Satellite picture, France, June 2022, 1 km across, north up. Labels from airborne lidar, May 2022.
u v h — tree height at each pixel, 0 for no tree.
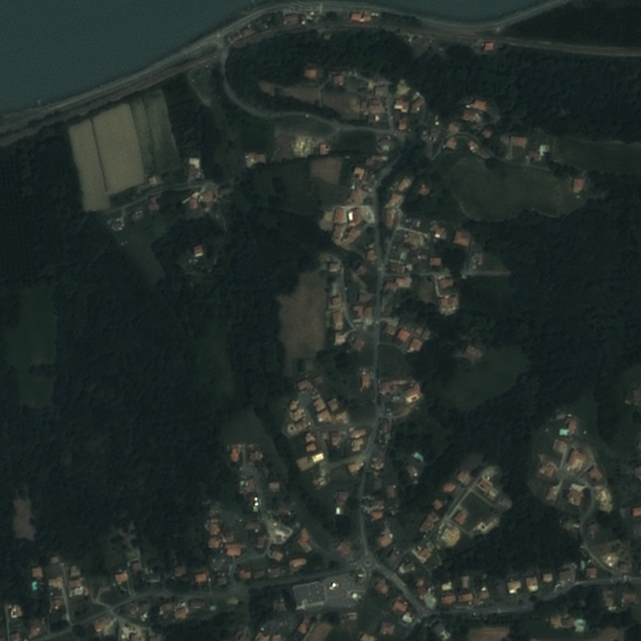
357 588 0
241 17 0
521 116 19
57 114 12
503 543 25
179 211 10
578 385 24
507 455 28
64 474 17
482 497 0
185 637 10
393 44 16
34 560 16
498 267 0
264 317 18
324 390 0
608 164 0
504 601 0
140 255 0
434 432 0
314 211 0
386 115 9
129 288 20
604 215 30
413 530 0
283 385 13
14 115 0
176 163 0
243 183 10
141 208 0
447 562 11
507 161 0
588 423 0
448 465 20
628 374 0
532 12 0
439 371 20
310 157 8
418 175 7
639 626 7
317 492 0
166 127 0
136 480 15
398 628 0
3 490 19
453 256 18
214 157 15
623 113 27
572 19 8
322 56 14
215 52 0
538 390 20
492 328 16
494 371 0
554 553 25
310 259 19
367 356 0
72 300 28
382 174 0
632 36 7
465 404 0
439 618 8
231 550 0
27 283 20
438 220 11
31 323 0
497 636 0
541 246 34
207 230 20
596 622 16
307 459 0
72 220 15
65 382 18
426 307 16
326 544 0
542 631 0
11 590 21
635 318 20
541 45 0
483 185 0
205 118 22
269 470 7
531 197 0
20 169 29
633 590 8
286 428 0
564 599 21
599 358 24
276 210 12
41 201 18
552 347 9
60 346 18
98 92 0
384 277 0
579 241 31
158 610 9
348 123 11
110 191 0
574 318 18
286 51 12
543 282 21
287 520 8
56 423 21
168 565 16
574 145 0
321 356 22
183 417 16
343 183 0
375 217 0
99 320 20
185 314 18
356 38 8
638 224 27
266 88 0
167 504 16
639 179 13
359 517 0
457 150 0
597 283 8
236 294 20
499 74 9
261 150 0
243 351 25
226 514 0
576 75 18
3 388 13
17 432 16
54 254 20
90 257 10
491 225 12
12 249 6
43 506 15
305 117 0
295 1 0
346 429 0
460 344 7
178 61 0
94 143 0
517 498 22
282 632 0
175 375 18
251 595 11
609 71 15
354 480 0
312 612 0
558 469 0
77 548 23
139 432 23
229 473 24
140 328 21
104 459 9
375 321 0
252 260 26
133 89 0
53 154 24
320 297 0
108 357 19
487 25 0
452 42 0
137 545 15
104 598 0
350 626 0
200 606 0
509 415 12
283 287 12
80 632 17
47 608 19
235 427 0
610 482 11
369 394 0
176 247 15
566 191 0
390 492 0
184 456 21
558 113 16
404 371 0
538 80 18
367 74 8
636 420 15
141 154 0
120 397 17
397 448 20
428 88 16
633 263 24
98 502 14
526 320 19
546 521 24
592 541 0
